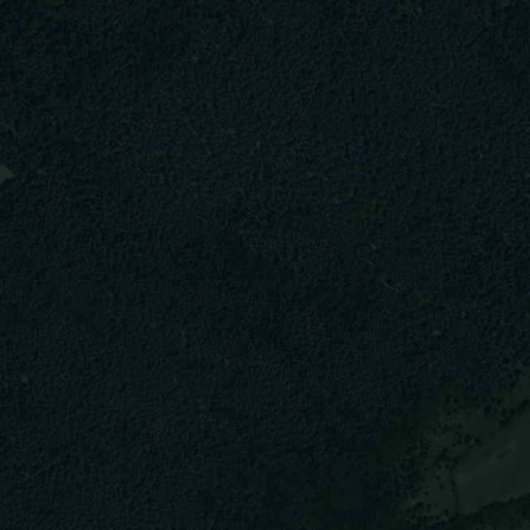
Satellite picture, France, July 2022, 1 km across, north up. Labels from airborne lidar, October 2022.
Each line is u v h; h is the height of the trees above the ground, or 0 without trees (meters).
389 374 15
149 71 22
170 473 23
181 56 15
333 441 18
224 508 16
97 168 27
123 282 27
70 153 27
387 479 20
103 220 28
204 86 20
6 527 22
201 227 28
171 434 22
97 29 16
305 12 26
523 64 18
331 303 22
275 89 25
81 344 20
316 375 16
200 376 20
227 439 16
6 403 21
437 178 23
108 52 26
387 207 23
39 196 26
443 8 26
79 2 20
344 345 20
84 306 26
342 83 18
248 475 13
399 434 20
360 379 19
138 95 20
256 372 15
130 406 22
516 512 19
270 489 17
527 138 22
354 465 17
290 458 18
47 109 26
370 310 17
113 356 26
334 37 27
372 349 17
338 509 22
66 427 27
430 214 22
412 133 23
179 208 27
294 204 24
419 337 29
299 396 27
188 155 24
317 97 22
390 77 25
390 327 21
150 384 18
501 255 22
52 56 24
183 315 19
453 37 22
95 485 23
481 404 28
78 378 25
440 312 24
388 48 26
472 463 0
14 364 31
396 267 26
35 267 29
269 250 26
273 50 24
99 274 21
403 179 19
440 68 20
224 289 21
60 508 20
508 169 17
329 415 18
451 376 22
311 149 21
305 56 25
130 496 25
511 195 18
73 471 26
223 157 24
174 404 26
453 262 25
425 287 24
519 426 0
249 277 23
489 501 0
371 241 19
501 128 24
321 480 18
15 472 17
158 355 18
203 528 18
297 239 24
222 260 27
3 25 16
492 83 20
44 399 22
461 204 19
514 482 0
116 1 23
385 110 21
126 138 15
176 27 23
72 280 26
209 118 28
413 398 18
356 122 23
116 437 16
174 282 19
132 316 21
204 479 18
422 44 21
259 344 11
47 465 28
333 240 18
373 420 16
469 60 24
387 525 26
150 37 24
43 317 23
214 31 7
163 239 21
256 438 20
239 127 19
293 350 15
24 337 23
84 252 21
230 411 19
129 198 16
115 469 21
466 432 0
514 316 18
